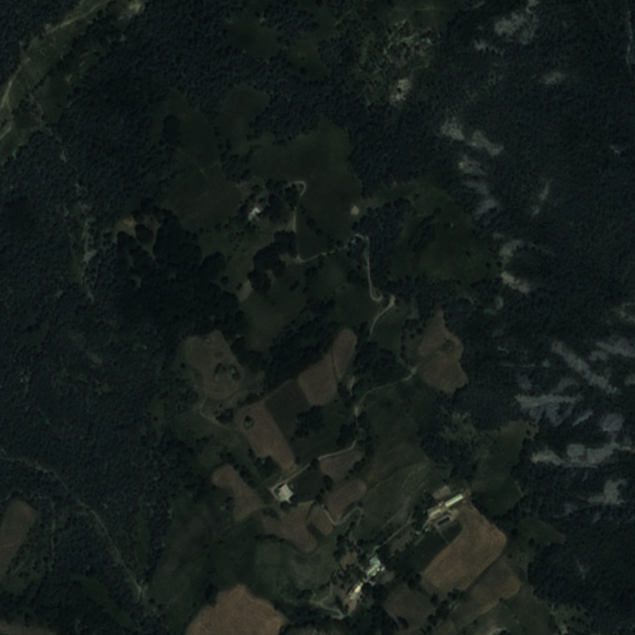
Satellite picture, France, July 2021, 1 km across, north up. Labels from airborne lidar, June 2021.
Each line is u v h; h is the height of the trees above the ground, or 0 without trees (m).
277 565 0
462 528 0
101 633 11
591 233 10
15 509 0
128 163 14
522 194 8
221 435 0
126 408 7
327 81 10
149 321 8
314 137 0
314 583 0
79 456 10
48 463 11
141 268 19
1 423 6
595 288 20
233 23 0
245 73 10
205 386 0
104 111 11
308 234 0
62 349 11
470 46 14
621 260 14
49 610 16
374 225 17
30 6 12
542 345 12
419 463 0
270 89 9
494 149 0
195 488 14
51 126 7
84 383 8
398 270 0
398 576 7
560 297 7
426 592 0
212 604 18
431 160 25
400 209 17
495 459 0
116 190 16
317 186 0
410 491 0
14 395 9
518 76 13
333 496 0
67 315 10
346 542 21
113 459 8
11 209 19
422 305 10
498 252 13
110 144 8
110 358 6
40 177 12
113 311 10
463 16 13
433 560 0
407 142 18
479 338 15
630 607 19
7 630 0
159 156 7
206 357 0
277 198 19
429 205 0
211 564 0
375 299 0
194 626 0
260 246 0
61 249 12
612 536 6
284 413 0
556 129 13
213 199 0
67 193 9
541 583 14
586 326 6
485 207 0
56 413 16
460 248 0
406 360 8
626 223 14
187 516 0
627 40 17
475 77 8
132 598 8
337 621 11
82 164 12
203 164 0
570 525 11
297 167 0
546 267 10
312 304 11
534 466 18
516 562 0
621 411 6
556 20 12
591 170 12
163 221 13
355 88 11
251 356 7
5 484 14
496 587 0
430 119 14
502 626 0
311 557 0
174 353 20
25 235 7
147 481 13
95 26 11
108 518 6
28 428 9
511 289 10
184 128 0
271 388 10
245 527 0
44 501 7
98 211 10
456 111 8
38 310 14
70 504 11
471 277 0
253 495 0
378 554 12
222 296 18
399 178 18
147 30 12
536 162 6
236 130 0
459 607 0
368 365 12
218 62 18
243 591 0
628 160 12
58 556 11
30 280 8
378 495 0
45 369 15
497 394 9
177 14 23
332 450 0
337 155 0
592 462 0
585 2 11
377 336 0
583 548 5
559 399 0
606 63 7
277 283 0
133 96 18
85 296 9
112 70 10
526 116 12
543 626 0
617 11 13
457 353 0
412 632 0
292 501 7
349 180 0
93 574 17
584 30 11
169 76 9
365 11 6
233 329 15
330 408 0
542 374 8
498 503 0
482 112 6
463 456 15
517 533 17
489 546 0
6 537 0
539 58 12
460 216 0
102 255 7
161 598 0
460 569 0
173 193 0
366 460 10
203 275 23
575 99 18
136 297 16
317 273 15
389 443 0
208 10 14
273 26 8
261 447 0
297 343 16
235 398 0
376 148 17
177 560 0
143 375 9
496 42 14
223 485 0
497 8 6
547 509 18
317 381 0
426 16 0
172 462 13
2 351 9
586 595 14
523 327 9
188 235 14
